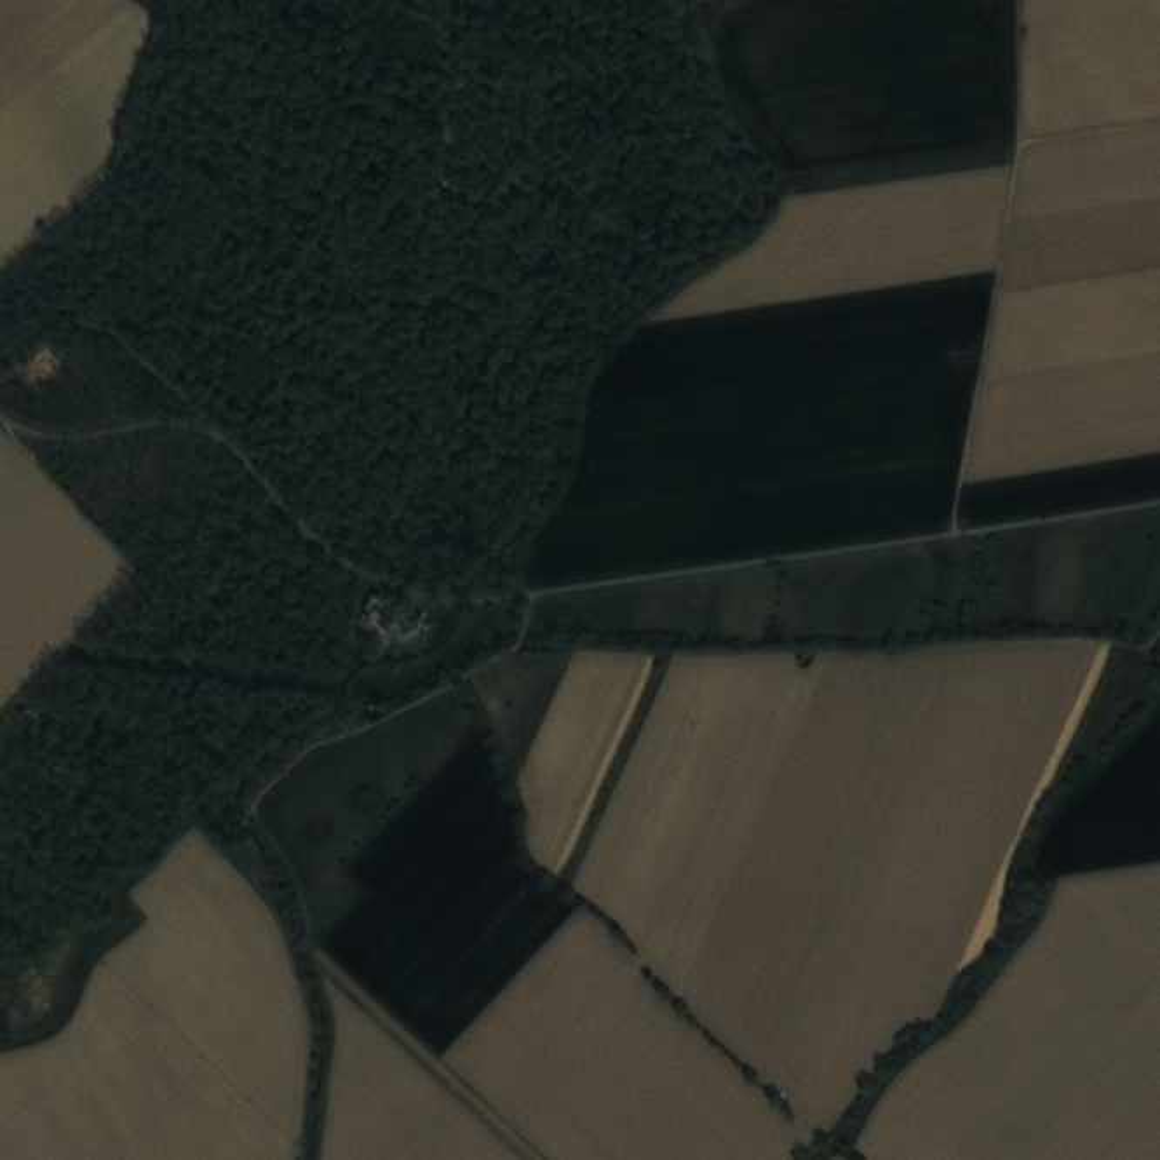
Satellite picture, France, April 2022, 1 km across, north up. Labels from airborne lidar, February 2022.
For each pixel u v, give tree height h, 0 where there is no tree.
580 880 0
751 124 0
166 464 20
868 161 0
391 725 0
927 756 0
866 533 0
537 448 25
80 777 27
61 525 0
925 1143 0
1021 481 0
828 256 0
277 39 25
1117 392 0
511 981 0
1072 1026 0
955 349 0
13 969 15
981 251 0
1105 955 0
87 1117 0
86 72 0
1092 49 0
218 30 20
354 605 24
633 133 24
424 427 26
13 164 0
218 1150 0
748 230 21
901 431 0
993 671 0
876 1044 0
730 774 0
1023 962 0
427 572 25
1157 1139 0
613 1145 0
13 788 13
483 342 24
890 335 0
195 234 21
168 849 14
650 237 9
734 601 0
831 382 0
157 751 22
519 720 0
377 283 27
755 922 0
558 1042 0
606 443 0
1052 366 0
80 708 23
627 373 0
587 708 0
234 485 17
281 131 28
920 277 0
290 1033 0
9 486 0
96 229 26
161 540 11
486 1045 0
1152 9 0
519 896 0
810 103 0
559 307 23
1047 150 0
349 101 22
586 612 0
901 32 0
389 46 8
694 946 0
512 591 18
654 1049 0
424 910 0
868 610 0
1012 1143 0
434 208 18
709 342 0
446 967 0
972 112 0
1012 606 0
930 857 0
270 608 18
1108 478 0
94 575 0
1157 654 7
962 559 0
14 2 0
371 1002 0
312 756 0
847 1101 0
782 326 0
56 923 20
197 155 19
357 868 0
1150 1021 0
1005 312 0
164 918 0
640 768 0
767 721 0
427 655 14
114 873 24
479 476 25
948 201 0
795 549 0
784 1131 0
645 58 19
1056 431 0
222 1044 0
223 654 23
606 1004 0
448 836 0
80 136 0
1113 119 0
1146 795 0
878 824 0
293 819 0
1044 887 17
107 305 27
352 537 25
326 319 25
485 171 23
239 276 23
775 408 0
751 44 0
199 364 15
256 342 17
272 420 17
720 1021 0
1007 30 0
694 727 0
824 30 0
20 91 0
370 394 25
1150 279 0
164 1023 0
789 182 0
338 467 27
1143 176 0
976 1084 0
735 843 0
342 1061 0
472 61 21
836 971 0
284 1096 0
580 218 22
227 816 9
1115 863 0
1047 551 0
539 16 21
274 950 0
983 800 0
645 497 0
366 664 19
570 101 23
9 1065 0
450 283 21
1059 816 0
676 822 0
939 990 0
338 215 22
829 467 0
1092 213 0
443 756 0
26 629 0
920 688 0
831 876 0
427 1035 0
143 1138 0
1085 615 0
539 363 19
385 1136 0
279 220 23
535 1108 0
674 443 0
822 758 0
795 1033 0
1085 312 0
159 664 0
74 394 20
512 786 15
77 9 0
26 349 22
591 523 0
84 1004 0
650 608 0
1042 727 0
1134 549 0
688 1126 0
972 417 0
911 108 0
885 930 0
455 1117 0
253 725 19
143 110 21
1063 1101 0
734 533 0
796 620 0
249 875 0
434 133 23
